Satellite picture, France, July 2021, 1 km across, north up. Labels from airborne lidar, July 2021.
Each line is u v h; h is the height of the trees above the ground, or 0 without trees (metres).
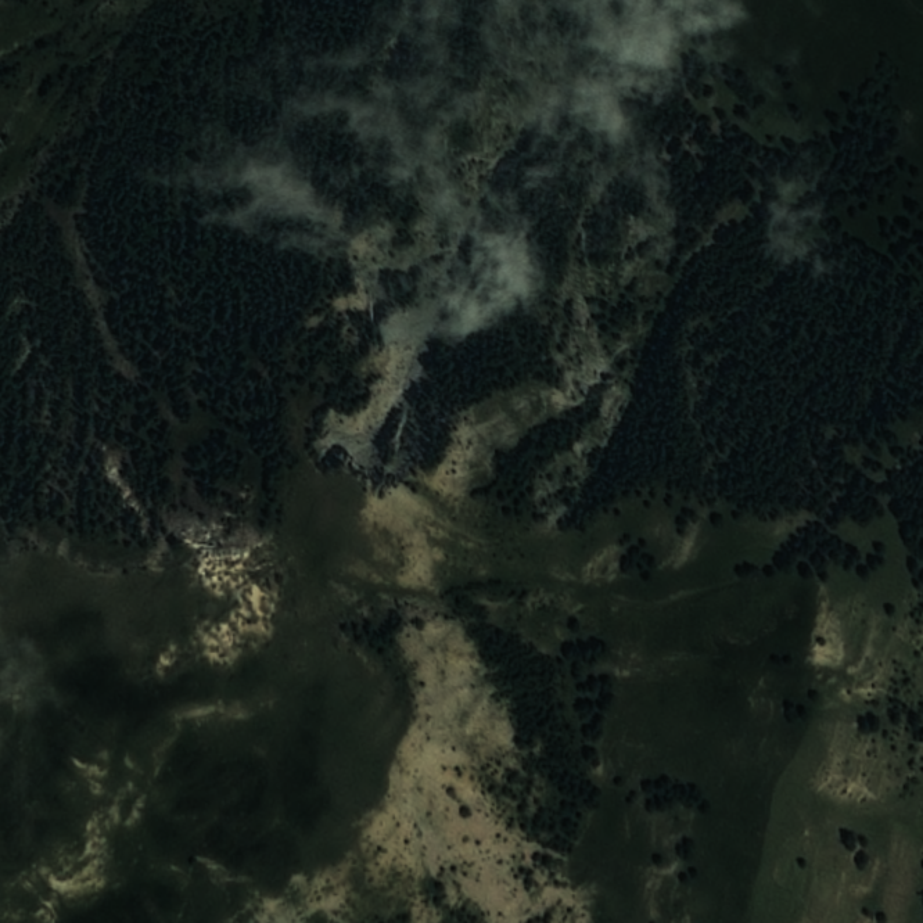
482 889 0
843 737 0
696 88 33
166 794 0
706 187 29
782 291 23
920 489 25
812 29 0
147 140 20
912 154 0
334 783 0
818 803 0
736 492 20
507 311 12
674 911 0
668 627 0
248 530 0
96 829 0
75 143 16
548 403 0
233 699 0
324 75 20
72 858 0
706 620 0
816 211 31
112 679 0
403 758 0
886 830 0
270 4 19
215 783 0
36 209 15
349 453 0
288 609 0
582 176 8
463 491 0
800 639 0
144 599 0
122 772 0
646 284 0
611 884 0
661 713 0
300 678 0
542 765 6
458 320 10
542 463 16
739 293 20
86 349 9
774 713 0
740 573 20
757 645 0
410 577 0
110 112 20
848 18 0
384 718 0
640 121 27
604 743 0
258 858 0
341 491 0
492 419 0
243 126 16
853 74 0
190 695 0
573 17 25
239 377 13
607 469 18
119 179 9
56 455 9
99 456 11
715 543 0
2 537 0
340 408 17
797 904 0
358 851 0
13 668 0
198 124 21
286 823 0
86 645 0
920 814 0
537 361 13
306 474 0
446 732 0
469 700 0
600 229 17
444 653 0
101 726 0
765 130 0
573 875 0
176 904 0
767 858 0
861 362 25
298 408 0
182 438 0
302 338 13
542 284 12
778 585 0
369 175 18
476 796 0
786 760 0
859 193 23
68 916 0
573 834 14
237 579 0
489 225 12
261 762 0
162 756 0
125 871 0
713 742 0
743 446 24
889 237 24
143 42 9
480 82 11
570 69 17
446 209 15
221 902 0
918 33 0
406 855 0
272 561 0
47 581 0
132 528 14
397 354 0
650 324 12
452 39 10
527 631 0
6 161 0
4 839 0
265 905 0
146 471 17
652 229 0
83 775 0
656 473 14
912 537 29
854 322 25
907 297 28
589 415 11
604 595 0
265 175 19
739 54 0
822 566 26
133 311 17
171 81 15
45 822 0
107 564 0
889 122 15
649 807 16
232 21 9
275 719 0
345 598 0
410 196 17
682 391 15
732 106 0
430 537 0
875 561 20
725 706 0
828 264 30
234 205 20
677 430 19
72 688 0
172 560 0
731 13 34
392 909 0
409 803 0
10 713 0
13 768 0
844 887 0
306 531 0
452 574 0
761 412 27
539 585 0
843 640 0
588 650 31
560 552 0
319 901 0
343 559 0
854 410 20
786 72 21
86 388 21
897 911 0
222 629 0
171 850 0
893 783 0
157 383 22
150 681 0
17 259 15
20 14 0
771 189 29
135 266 17
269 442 20
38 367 11
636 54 18
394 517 0
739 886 0
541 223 15
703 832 0
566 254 14
